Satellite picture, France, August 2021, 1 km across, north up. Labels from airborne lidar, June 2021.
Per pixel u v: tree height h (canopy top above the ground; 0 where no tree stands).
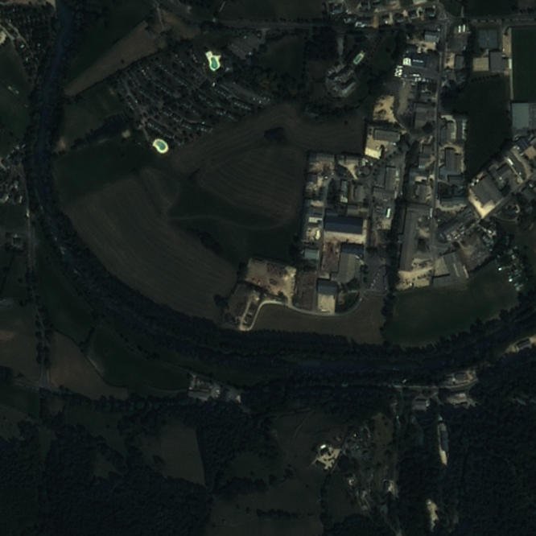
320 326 0
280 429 0
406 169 7
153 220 0
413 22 0
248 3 0
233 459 10
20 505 22
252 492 15
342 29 0
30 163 21
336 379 21
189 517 21
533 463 24
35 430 21
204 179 0
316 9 0
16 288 0
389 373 9
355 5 0
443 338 0
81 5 27
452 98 26
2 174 6
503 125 0
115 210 0
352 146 0
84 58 0
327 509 9
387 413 18
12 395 0
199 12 0
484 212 0
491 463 21
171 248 0
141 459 32
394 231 14
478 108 0
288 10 0
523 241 0
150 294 0
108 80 8
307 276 0
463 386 0
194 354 31
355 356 29
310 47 14
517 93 0
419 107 0
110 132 28
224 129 0
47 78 0
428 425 27
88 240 0
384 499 7
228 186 0
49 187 31
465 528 9
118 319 10
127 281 0
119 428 0
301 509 0
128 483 15
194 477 0
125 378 0
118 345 0
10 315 0
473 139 0
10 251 11
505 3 0
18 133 0
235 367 33
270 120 0
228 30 10
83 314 0
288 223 0
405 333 0
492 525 21
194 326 33
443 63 0
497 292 0
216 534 0
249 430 24
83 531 15
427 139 0
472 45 8
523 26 0
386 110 0
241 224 0
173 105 9
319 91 0
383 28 8
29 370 0
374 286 0
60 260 9
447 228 0
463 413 15
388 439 0
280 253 0
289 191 0
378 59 0
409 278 0
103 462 0
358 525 20
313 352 17
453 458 13
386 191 0
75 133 0
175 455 0
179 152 0
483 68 0
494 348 16
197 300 0
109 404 18
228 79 12
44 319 8
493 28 0
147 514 15
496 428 21
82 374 0
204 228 0
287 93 12
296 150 0
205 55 0
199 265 0
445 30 0
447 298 0
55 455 17
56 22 19
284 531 0
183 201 0
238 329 0
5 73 0
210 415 29
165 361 0
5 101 0
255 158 0
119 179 0
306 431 0
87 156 0
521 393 11
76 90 0
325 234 0
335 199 8
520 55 0
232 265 0
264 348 21
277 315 0
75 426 0
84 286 9
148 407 21
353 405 23
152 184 0
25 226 0
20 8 9
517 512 29
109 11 8
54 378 0
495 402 17
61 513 15
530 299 14
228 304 20
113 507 16
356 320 0
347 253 0
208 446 30
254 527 0
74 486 15
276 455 7
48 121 25
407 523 20
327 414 10
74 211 0
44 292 0
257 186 0
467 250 0
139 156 0
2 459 36
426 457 23
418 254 0
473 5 0
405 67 0
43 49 6
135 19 0
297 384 29
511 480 23
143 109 0
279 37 10
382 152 7
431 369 13
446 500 20
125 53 0
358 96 0
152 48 0
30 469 20
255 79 18
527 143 0
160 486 21
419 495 9
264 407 23
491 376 24
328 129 0
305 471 0
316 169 0
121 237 0
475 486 19
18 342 0
